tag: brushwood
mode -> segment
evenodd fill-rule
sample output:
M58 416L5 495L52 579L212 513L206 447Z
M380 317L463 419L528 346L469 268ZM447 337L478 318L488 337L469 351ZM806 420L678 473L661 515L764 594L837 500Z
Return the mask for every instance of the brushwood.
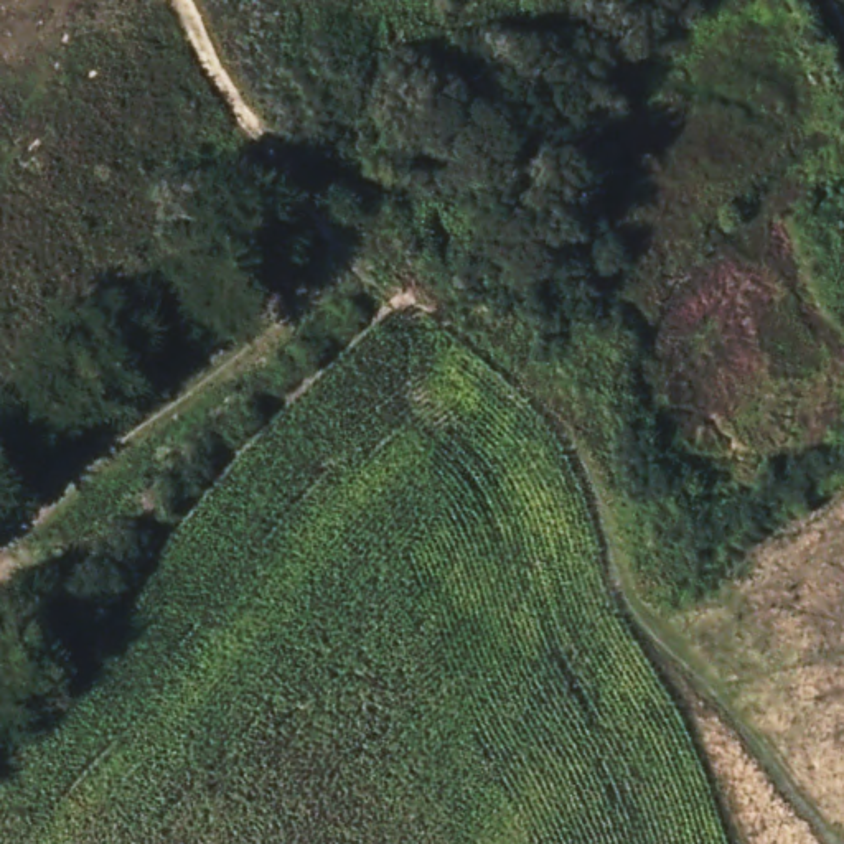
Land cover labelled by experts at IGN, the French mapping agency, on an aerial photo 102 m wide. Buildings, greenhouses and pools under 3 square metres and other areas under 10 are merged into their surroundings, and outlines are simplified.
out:
M260 419L260 422L264 422L264 425L270 425L270 419L277 415L277 412L280 412L280 406L284 406L284 399L270 396L270 392L257 392L257 396L254 396L254 402L251 402L251 409L254 409L254 415Z
M560 402L574 419L590 425L584 442L593 452L593 462L603 468L603 481L610 491L603 508L607 534L626 603L636 617L643 610L663 607L676 613L696 610L709 597L715 597L715 590L725 580L735 580L752 577L758 547L768 544L768 537L778 528L791 524L795 518L804 518L808 511L844 501L844 445L821 442L798 452L771 455L771 468L762 475L758 488L739 485L735 478L719 485L699 485L692 471L666 485L656 465L653 435L630 432L623 422L633 409L633 392L630 366L623 363L623 356L633 349L636 336L623 326L610 326L590 317L570 326L570 346L560 353L560 359L544 359L541 320L518 313L504 317L498 307L481 303L478 297L455 287L438 264L442 254L448 254L448 227L438 218L429 218L429 231L419 231L412 198L402 188L382 185L376 214L369 227L359 234L359 257L396 254L392 241L409 241L409 247L419 251L419 287L412 290L429 297L435 310L442 310L491 359L521 376L541 399Z
M158 521L152 511L138 518L122 514L102 551L73 544L59 557L46 557L40 564L13 570L10 577L23 587L23 603L16 607L16 613L40 610L40 646L26 659L59 666L69 682L69 692L79 699L102 682L112 659L125 656L129 646L145 633L138 620L138 597L158 574L165 547L178 534L181 518L204 498L208 488L218 485L218 478L234 458L231 445L221 438L227 422L224 415L195 425L195 432L188 435L191 455L171 452L171 511L165 521Z
M755 0L755 23L781 23L804 73L804 79L795 79L798 115L785 122L781 132L828 135L824 148L811 152L804 162L788 165L788 178L798 185L814 185L811 211L821 221L844 221L844 69L831 36L821 30L808 0Z
M280 23L260 23L264 46L270 49L274 63L293 69L303 82L303 89L287 89L280 96L290 115L290 132L284 138L323 142L340 158L356 162L359 168L366 162L386 165L386 148L369 112L376 73L402 69L406 63L412 63L412 46L419 40L445 40L448 46L458 46L465 53L478 53L481 59L504 59L511 40L501 30L501 16L537 13L544 0L277 0Z

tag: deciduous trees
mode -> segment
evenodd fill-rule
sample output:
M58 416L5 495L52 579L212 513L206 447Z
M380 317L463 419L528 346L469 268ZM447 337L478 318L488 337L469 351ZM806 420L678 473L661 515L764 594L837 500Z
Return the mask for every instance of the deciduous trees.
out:
M673 59L682 49L689 49L689 30L702 16L715 16L725 0L544 0L537 13L501 16L501 30L511 40L504 59L481 59L478 53L465 53L458 46L448 46L445 40L419 40L412 46L412 63L406 63L402 69L376 73L369 112L386 148L386 165L366 162L359 168L369 181L382 185L402 188L412 198L419 231L429 231L429 218L438 218L448 227L448 254L442 254L438 264L455 287L478 297L481 303L498 307L504 317L518 313L541 320L544 359L560 359L560 353L570 346L570 326L590 317L590 287L574 287L570 270L551 260L551 251L557 244L584 241L584 231L570 211L577 188L593 185L593 168L584 155L577 155L574 135L587 125L587 115L593 109L610 109L617 119L626 115L626 102L603 89L610 66L623 63L626 56L643 59L646 53L653 53L666 66L673 66Z
M16 613L16 607L23 603L23 587L10 577L0 584L0 781L20 771L20 752L33 745L40 735L56 732L79 699L69 692L69 682L59 666L26 659L40 646L40 610Z
M191 185L188 211L198 214L198 224L191 224L181 237L178 257L158 260L155 270L125 270L119 280L99 287L92 297L73 300L69 323L53 323L53 330L43 340L36 340L26 353L16 356L10 382L0 382L0 518L13 511L13 504L23 504L16 495L20 485L43 485L43 478L63 462L59 455L66 452L66 442L79 429L112 422L115 412L125 406L125 392L142 392L152 376L162 373L162 363L171 349L178 349L188 340L204 340L211 330L218 336L231 330L241 333L251 323L260 326L270 293L280 303L277 313L284 323L303 320L323 300L323 293L353 267L353 260L359 257L359 234L369 227L376 214L359 208L353 195L340 188L300 191L297 185L290 185L284 171L251 165L241 148L214 152L214 145L204 142L201 158L178 158L178 178Z

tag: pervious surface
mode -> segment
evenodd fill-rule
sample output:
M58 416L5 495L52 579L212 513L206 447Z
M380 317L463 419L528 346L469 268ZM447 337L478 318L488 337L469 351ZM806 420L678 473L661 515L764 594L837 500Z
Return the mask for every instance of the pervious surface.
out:
M10 577L13 570L40 564L46 557L33 547L23 547L20 541L0 547L0 584Z
M241 148L251 165L284 171L290 185L297 185L300 191L340 188L353 195L359 208L376 214L382 185L369 181L359 168L356 162L340 158L323 142L284 138L260 135L260 115L247 106L241 86L224 69L195 0L171 0L181 13L188 43L195 46L201 66L227 96L241 129L251 135Z
M821 30L831 36L844 69L844 0L808 0Z

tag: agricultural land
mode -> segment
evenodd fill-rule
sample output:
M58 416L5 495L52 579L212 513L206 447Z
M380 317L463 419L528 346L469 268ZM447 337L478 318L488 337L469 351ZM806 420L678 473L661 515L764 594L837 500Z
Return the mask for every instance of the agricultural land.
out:
M280 340L274 359L231 379L234 406L224 415L227 422L221 438L231 445L234 458L218 478L218 485L208 488L204 498L181 518L178 534L165 547L158 574L138 597L138 620L145 633L129 646L125 656L112 659L102 682L79 699L56 732L40 735L33 745L20 752L20 771L0 781L0 844L745 844L739 828L735 791L725 788L722 775L715 775L712 755L706 752L702 732L696 725L699 719L715 715L725 729L732 725L732 715L673 656L666 656L649 640L636 617L626 603L607 534L603 508L610 491L603 481L603 468L593 462L593 452L584 442L590 425L574 419L560 402L541 399L521 376L491 359L442 310L435 310L419 313L412 307L399 307L392 317L382 320L376 313L379 303L366 293L353 267L323 293L323 300L303 320L284 323L287 336ZM260 422L260 419L254 415L254 409L251 409L251 402L254 402L254 396L257 396L257 392L270 392L270 396L284 399L284 406L280 406L280 412L277 412L277 415L270 419L270 425L264 425L264 422Z

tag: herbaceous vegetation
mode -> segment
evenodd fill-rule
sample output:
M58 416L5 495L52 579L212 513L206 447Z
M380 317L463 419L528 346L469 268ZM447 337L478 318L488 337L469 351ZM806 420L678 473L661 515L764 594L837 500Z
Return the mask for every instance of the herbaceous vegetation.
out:
M673 656L732 715L732 725L725 729L739 742L745 758L762 771L771 795L801 824L808 824L818 844L844 844L844 824L828 821L821 814L818 801L791 778L791 768L778 758L771 732L752 725L758 715L765 715L758 702L735 706L748 686L775 673L798 673L804 666L801 659L785 656L785 649L775 643L775 623L765 623L752 613L752 600L735 590L735 580L725 580L715 590L715 597L709 597L696 610L676 613L663 607L643 610L636 617L649 640L666 656Z
M290 132L290 115L280 96L287 89L303 89L303 82L293 69L274 63L270 49L264 46L260 23L280 23L277 0L195 0L224 69L241 86L247 106L260 115L260 135L284 138Z
M366 293L379 303L389 300L396 290L412 290L419 287L419 251L409 247L409 241L392 241L396 254L359 257L353 260L353 267Z
M46 557L59 557L73 544L102 551L122 514L138 518L152 511L158 521L165 521L171 511L171 452L191 455L188 435L195 432L195 425L224 415L234 406L231 379L274 359L280 340L287 336L284 323L277 313L280 303L270 293L260 326L251 323L241 333L231 330L218 336L211 330L204 340L188 340L178 349L171 349L162 363L162 373L152 376L142 392L125 392L125 406L115 412L112 422L79 429L66 442L66 452L59 455L63 462L43 478L43 485L20 485L16 495L23 504L13 504L13 511L0 518L0 547L20 541L23 547L33 547Z
M201 66L195 46L188 43L181 13L171 0L0 0L0 382L10 382L16 356L26 353L36 340L43 340L53 330L53 323L69 323L73 300L92 297L99 287L119 280L125 270L155 270L158 260L178 257L181 237L191 224L198 224L198 214L188 211L191 185L178 178L178 158L201 158L204 142L214 145L214 152L241 148L251 135L241 129L227 96Z
M692 471L699 485L719 485L735 478L739 485L758 488L762 475L771 468L771 455L798 452L821 442L844 445L844 221L821 221L811 211L814 185L798 185L788 178L788 165L804 162L811 152L824 148L828 135L781 132L785 122L798 115L795 79L804 79L804 73L781 23L755 23L755 0L725 0L715 16L702 16L689 30L689 49L682 49L673 59L673 66L666 66L653 53L646 53L643 59L626 56L623 63L610 66L603 89L626 102L626 115L617 119L610 109L593 109L587 115L587 125L574 135L577 155L584 155L593 168L593 185L577 188L570 211L584 231L584 241L557 244L551 251L551 260L570 270L574 287L590 287L590 317L610 326L623 326L636 336L633 349L623 356L623 363L630 366L633 392L633 409L623 422L630 432L653 435L656 465L666 485Z

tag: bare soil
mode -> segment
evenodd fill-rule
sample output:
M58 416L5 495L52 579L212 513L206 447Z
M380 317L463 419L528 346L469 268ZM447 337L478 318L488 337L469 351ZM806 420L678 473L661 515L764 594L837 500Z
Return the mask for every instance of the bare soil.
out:
M818 801L821 814L828 821L844 824L844 501L808 511L804 518L795 518L791 524L778 528L768 537L768 544L758 547L752 577L735 580L735 590L752 600L752 613L765 623L775 623L775 643L785 649L785 656L801 659L804 666L798 673L775 673L748 686L735 706L758 702L765 715L758 715L752 725L771 732L778 758L791 768L791 778Z
M429 297L412 290L396 290L389 300L379 303L376 313L382 320L392 317L399 307L412 307L419 313L435 310Z
M715 715L699 719L696 725L702 732L706 752L712 755L715 775L722 775L725 788L735 791L739 828L745 844L818 844L808 824L801 824L771 795L762 771L745 758L739 742L725 729Z

